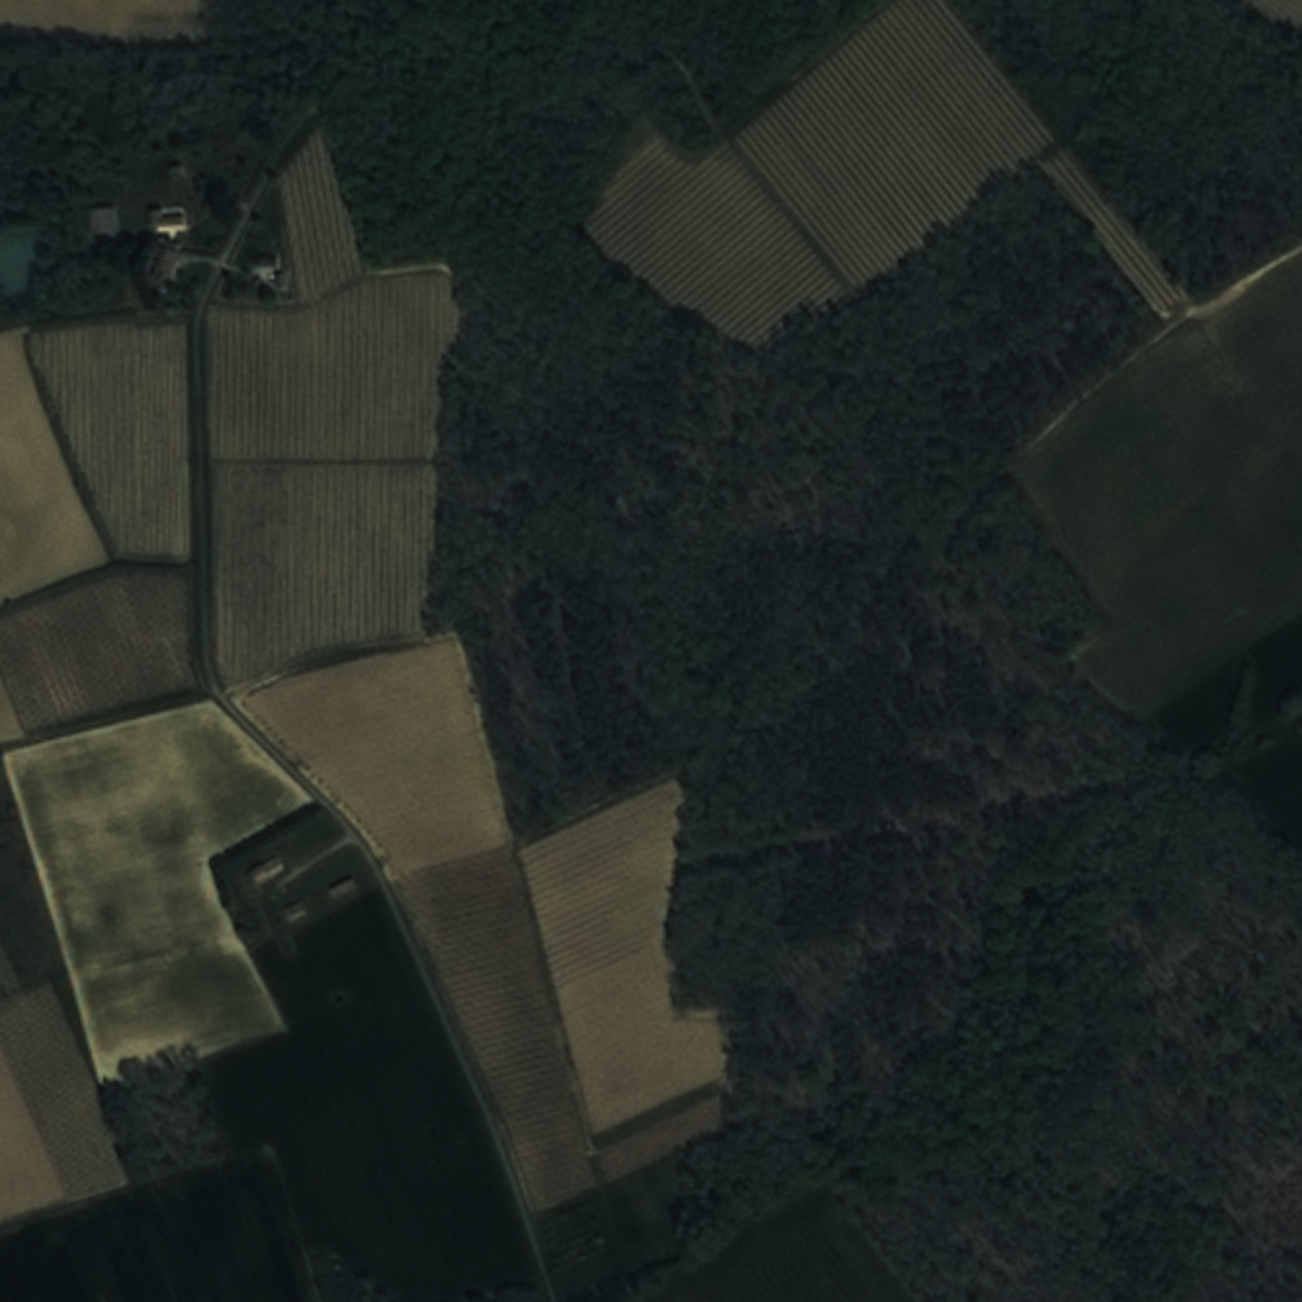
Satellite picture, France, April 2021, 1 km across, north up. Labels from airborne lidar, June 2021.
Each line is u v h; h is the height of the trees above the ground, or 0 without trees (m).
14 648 0
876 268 0
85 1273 0
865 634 10
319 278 0
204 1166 14
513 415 17
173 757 0
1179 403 0
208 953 0
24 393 0
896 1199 24
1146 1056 21
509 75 22
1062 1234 14
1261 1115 17
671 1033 0
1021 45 19
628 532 17
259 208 0
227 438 0
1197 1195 14
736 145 0
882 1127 27
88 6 0
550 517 17
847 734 23
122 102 16
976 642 11
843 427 23
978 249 12
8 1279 0
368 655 0
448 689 0
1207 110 19
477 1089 0
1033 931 20
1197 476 0
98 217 0
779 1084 17
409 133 22
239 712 0
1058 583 22
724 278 0
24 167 10
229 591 0
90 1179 0
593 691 24
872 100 0
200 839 0
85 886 0
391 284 0
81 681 0
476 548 18
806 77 0
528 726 11
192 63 16
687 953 17
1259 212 25
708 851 23
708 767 21
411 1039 0
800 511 14
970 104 0
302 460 0
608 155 10
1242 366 0
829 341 18
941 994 23
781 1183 21
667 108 15
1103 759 21
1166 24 12
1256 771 0
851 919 24
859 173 0
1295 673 0
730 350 14
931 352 17
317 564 0
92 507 0
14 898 0
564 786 18
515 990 0
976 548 13
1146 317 12
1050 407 14
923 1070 31
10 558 0
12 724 0
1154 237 19
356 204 19
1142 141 14
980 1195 22
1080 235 12
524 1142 0
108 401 0
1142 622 0
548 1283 0
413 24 23
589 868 0
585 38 19
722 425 19
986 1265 20
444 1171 0
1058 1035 27
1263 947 21
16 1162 0
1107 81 18
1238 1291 18
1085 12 22
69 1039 0
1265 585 0
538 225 24
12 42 20
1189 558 0
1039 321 21
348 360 0
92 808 0
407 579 0
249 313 0
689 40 16
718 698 23
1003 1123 20
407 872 0
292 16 23
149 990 0
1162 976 24
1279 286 0
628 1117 0
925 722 23
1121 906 24
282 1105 0
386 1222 0
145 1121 18
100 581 0
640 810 0
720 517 17
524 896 0
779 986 18
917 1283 20
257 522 0
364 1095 0
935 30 0
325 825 0
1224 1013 24
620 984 0
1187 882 17
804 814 23
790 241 0
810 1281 0
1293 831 0
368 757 0
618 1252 0
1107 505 0
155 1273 0
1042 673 16
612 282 19
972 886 15
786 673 20
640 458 18
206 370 0
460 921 0
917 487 16
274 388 0
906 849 18
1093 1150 20
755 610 20
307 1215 0
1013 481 11
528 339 12
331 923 0
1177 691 0
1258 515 0
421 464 0
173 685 0
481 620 14
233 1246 0
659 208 0
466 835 0
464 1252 0
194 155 6
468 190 25
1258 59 19
